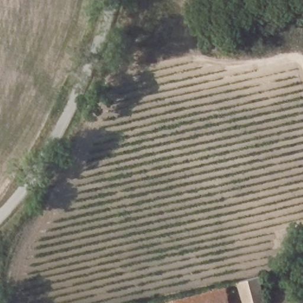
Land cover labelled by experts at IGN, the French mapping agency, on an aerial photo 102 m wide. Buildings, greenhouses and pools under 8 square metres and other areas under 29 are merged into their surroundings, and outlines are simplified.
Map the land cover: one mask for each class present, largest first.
<instances>
[{"label":"vineyard","instance_id":"1","mask_svg":"<svg viewBox=\"0 0 303 303\"><path fill-rule=\"evenodd\" d=\"M108 86L111 89V97L115 99L114 104L107 107L103 102H99L102 114L98 116L97 121H88L79 123L76 134L71 138L69 148L76 163L70 168H60L57 170L56 181L46 187V193L41 198V208L44 212L37 218L24 226V230L19 232L9 247L8 254L13 259L7 276L13 279L0 286V303H122L159 294L172 295L228 279H233L237 284L257 281V284L262 285L258 272L270 271L267 264L269 257L283 253L282 243L288 234L286 230L290 226V221L294 220L298 225H303V54L281 53L266 58L234 59L207 57L195 50L182 57L160 60L156 64L133 63L129 64L128 69L120 67L112 73Z\"/></svg>","mask_w":303,"mask_h":303},{"label":"agricultural land","instance_id":"2","mask_svg":"<svg viewBox=\"0 0 303 303\"><path fill-rule=\"evenodd\" d=\"M116 12L115 9L108 11L103 0H0V206L11 198L18 187L26 185L27 191L41 182L43 169L36 165L28 166L26 160L30 159L34 144L41 149L54 138L51 131L63 114L70 92H75L77 96L83 95L84 86L91 75V66L85 59L91 52L96 53L101 49Z\"/></svg>","mask_w":303,"mask_h":303},{"label":"deciduous trees","instance_id":"3","mask_svg":"<svg viewBox=\"0 0 303 303\"><path fill-rule=\"evenodd\" d=\"M108 11L115 9L116 12L101 49L96 53L91 52L85 59L91 66V75L84 86L83 95L77 96L76 109L80 114H84L88 121H97L98 116L102 114L99 102H103L107 107L114 104L115 99L111 97V89L108 86L112 73L120 67L128 69L129 64L133 63V54L121 52L125 49L122 41L124 27L131 24V18L118 0H103ZM185 6L181 7V17L189 34L196 38L195 50L207 57L234 59L266 58L281 53L278 50L285 44L284 32L296 27L303 34V0H185ZM71 138L63 136L54 138L41 149L34 144L30 159L26 160L28 166L36 165L43 169L47 163L56 161L60 168H70L76 163L69 148ZM46 193V187L41 182L27 191L21 201L30 206L31 214L37 218L44 212L41 208V198ZM288 234L282 243L283 253L269 257L267 264L270 271L258 272L262 285V303H303V225H298L294 220L290 221V226L286 230Z\"/></svg>","mask_w":303,"mask_h":303},{"label":"herbaceous vegetation","instance_id":"4","mask_svg":"<svg viewBox=\"0 0 303 303\"><path fill-rule=\"evenodd\" d=\"M131 18V24L124 27L122 41L125 49L121 52L133 54V63L156 64L160 60L182 57L195 50L196 38L189 34L181 17V7L185 6V0H118ZM285 44L278 50L281 53L303 54V34L296 27L284 32ZM37 218L31 214L21 215L19 225L14 226L9 237H0V286L13 279L7 276L13 259L8 254L9 247L19 232L24 230V226Z\"/></svg>","mask_w":303,"mask_h":303},{"label":"brushwood","instance_id":"5","mask_svg":"<svg viewBox=\"0 0 303 303\"><path fill-rule=\"evenodd\" d=\"M88 121L84 114H80L76 109L63 136L71 138L76 134L79 123ZM60 168L56 161L47 163L43 169L41 182L46 187L56 181L57 170ZM30 206L21 201L5 220L0 219V237H9L14 226L19 225L21 215L31 214ZM237 284L233 279H228L172 295L159 294L122 303H166L213 289H227Z\"/></svg>","mask_w":303,"mask_h":303},{"label":"building","instance_id":"6","mask_svg":"<svg viewBox=\"0 0 303 303\"><path fill-rule=\"evenodd\" d=\"M262 285L257 284V281L237 284L227 289H213L166 303H262Z\"/></svg>","mask_w":303,"mask_h":303},{"label":"pervious surface","instance_id":"7","mask_svg":"<svg viewBox=\"0 0 303 303\"><path fill-rule=\"evenodd\" d=\"M77 96L75 92H70L63 114L51 131L54 138L63 136L76 109ZM27 191L26 185L18 187L11 198L0 206V219L5 220L21 201Z\"/></svg>","mask_w":303,"mask_h":303}]
</instances>
